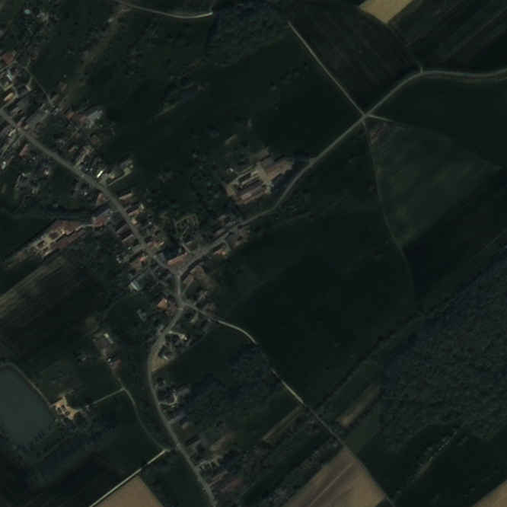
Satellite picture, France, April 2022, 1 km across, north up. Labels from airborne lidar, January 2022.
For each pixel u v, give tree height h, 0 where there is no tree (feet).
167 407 0
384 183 0
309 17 0
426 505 0
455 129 0
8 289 0
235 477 0
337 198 0
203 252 0
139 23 0
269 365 71
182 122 0
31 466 0
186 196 0
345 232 0
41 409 0
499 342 101
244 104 0
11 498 0
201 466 0
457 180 0
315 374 0
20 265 0
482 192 0
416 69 36
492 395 101
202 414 85
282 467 0
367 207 0
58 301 0
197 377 0
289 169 0
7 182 0
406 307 0
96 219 0
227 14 68
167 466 71
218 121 0
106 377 0
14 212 44
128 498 0
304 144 0
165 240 0
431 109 0
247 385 93
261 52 0
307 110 0
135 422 0
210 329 0
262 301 0
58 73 0
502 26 0
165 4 0
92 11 0
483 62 0
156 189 0
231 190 0
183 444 0
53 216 52
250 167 0
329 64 0
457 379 103
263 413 0
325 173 0
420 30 0
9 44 0
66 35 0
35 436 0
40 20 0
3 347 0
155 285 0
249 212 47
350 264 0
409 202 0
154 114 0
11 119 0
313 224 0
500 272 87
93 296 0
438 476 0
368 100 0
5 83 0
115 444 0
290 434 41
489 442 0
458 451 0
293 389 0
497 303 106
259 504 0
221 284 0
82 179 0
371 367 0
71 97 0
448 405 84
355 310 0
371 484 0
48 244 0
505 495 0
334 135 0
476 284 88
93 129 0
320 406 40
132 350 43
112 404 0
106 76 0
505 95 0
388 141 0
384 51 0
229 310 0
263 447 46
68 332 0
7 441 91
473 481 0
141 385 25
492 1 0
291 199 0
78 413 0
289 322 0
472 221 0
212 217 52
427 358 97
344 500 0
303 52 0
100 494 0
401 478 0
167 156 0
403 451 0
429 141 0
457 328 103
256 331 0
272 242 0
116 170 0
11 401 0
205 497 0
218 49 70
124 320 0
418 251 0
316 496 0
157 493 37
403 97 0
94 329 0
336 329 0
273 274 0
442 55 0
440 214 0
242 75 0
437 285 0
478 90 0
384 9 0
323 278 0
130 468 0
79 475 0
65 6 0
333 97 0
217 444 51
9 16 0
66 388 0
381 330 0
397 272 0
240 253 0
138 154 0
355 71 0
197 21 0
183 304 0
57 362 0
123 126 0
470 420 78
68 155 0
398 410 90
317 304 0
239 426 0
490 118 0
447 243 0
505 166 0
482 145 0
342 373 0
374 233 0
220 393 85
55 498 0
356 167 0
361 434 0
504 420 77
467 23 0
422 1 0
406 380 89
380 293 0
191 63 0
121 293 41
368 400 0
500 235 0
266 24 104
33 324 0
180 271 0
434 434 0
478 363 90
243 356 60
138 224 0
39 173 57
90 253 50
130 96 0
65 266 0
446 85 0
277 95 0
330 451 0
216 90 0
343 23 0
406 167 0
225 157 0
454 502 0
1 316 0
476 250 0
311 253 0
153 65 0
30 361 0
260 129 0
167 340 38
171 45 0
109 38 0
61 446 0
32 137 0
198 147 0
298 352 0
